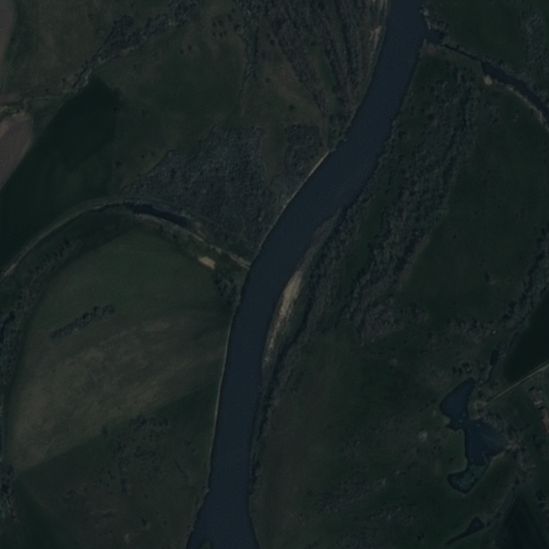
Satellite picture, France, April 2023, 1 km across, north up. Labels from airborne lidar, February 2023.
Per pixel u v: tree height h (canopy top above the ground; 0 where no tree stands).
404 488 0
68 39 0
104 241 0
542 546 0
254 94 0
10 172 0
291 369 16
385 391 0
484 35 0
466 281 0
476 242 0
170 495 0
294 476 0
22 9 0
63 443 0
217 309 0
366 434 0
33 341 0
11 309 0
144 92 0
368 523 0
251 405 0
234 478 0
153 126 0
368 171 0
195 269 0
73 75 0
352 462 0
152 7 0
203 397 0
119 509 0
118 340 0
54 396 0
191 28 0
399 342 0
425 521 0
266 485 0
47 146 0
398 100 0
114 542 0
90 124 0
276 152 0
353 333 0
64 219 0
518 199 0
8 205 0
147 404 0
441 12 0
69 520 0
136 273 0
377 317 18
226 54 0
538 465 0
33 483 0
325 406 0
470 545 0
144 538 0
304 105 0
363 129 0
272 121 0
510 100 0
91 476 0
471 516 0
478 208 0
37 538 0
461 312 0
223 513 0
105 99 0
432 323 0
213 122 0
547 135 0
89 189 0
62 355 0
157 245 0
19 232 0
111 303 0
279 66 0
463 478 0
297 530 0
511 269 0
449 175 16
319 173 0
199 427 0
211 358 0
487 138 0
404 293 0
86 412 0
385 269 22
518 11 0
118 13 0
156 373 0
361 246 0
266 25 0
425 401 0
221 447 0
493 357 0
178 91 0
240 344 0
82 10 0
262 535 0
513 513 0
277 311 0
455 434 0
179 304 0
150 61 0
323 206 0
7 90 0
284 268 0
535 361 0
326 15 22
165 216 0
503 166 0
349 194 0
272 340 0
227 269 0
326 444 0
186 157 0
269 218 9
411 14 0
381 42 0
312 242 0
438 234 0
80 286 0
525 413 0
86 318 9
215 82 0
